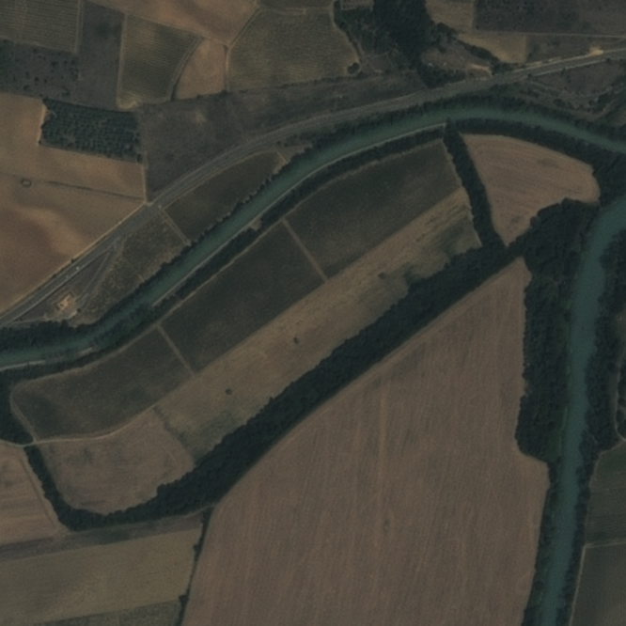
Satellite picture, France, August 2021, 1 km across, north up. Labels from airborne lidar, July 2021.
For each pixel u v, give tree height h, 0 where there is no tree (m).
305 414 8
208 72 0
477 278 19
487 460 0
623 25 0
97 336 0
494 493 0
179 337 0
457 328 0
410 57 11
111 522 13
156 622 0
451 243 0
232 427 0
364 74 7
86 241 0
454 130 20
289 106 0
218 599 0
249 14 0
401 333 17
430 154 0
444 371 0
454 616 0
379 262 0
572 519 0
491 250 14
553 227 16
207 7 0
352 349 16
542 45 0
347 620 0
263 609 0
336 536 0
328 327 0
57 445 0
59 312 0
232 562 0
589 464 10
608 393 24
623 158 12
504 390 0
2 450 0
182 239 0
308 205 0
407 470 0
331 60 0
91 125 12
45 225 0
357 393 0
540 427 15
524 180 0
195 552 6
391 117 7
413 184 0
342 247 0
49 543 0
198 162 0
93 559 0
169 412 0
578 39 0
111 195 0
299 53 0
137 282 0
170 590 0
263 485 0
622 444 0
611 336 14
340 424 0
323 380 19
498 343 0
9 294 0
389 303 0
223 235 0
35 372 7
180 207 0
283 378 0
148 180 0
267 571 0
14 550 0
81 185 0
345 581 0
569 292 15
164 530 0
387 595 0
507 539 0
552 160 0
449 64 0
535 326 18
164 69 0
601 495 0
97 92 0
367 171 0
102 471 0
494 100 10
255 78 0
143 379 0
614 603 0
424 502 0
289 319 0
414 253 0
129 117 14
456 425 0
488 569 0
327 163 0
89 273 0
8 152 0
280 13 0
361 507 0
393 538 0
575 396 0
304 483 0
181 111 0
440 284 19
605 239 0
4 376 12
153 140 0
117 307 9
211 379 0
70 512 13
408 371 0
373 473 0
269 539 0
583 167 0
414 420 0
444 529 0
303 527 0
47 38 0
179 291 6
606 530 0
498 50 0
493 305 0
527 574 0
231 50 0
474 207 9
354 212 0
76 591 0
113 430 0
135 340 0
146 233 0
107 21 0
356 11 6
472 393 0
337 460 0
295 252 0
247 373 0
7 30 0
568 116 6
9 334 10
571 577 9
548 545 11
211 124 0
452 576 0
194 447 0
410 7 9
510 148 0
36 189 0
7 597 0
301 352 0
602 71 0
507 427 0
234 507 0
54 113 7
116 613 0
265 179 0
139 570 0
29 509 0
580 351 0
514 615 0
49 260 0
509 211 0
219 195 0
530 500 0
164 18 0
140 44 0
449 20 0
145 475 0
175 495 15
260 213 0
